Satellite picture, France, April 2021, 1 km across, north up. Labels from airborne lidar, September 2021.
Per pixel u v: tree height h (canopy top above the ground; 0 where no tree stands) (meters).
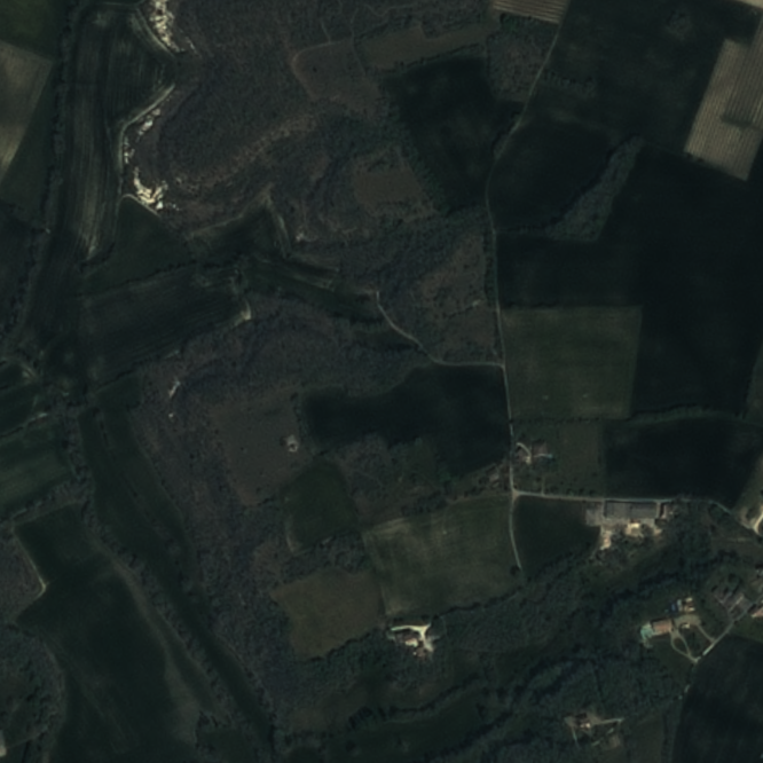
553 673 24
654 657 9
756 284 0
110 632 0
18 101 0
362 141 19
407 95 0
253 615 7
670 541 19
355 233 8
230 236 0
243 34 9
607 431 0
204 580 17
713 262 0
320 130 12
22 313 19
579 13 0
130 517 0
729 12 0
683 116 0
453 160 0
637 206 0
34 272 16
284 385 6
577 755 19
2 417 0
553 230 12
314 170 9
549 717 16
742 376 0
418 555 0
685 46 0
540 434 0
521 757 13
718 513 12
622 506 0
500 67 10
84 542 0
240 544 9
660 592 14
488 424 0
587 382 0
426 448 0
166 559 0
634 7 0
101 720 0
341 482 0
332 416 0
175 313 0
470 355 10
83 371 0
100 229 0
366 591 0
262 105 10
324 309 8
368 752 0
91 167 0
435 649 8
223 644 8
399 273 15
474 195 0
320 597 0
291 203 14
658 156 0
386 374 18
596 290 0
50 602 0
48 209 17
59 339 0
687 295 0
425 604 0
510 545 0
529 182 0
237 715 13
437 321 7
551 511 0
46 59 0
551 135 0
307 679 13
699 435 0
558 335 0
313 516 0
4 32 0
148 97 0
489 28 0
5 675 13
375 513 0
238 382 9
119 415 0
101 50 0
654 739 0
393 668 20
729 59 0
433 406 0
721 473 0
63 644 0
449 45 0
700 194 0
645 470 0
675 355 0
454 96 0
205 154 8
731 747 0
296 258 0
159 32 0
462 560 0
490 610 12
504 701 21
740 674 0
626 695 14
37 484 0
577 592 21
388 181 0
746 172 0
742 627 0
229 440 0
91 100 0
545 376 0
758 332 0
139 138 0
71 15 14
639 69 0
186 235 15
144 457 0
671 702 16
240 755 0
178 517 0
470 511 0
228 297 0
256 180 9
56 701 14
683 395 0
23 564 14
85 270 10
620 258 0
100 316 0
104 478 0
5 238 0
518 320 0
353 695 0
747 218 0
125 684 0
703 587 6
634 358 0
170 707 0
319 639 0
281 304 13
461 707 0
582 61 0
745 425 0
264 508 10
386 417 0
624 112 0
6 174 0
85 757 0
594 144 0
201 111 7
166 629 0
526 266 0
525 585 13
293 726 12
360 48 7
